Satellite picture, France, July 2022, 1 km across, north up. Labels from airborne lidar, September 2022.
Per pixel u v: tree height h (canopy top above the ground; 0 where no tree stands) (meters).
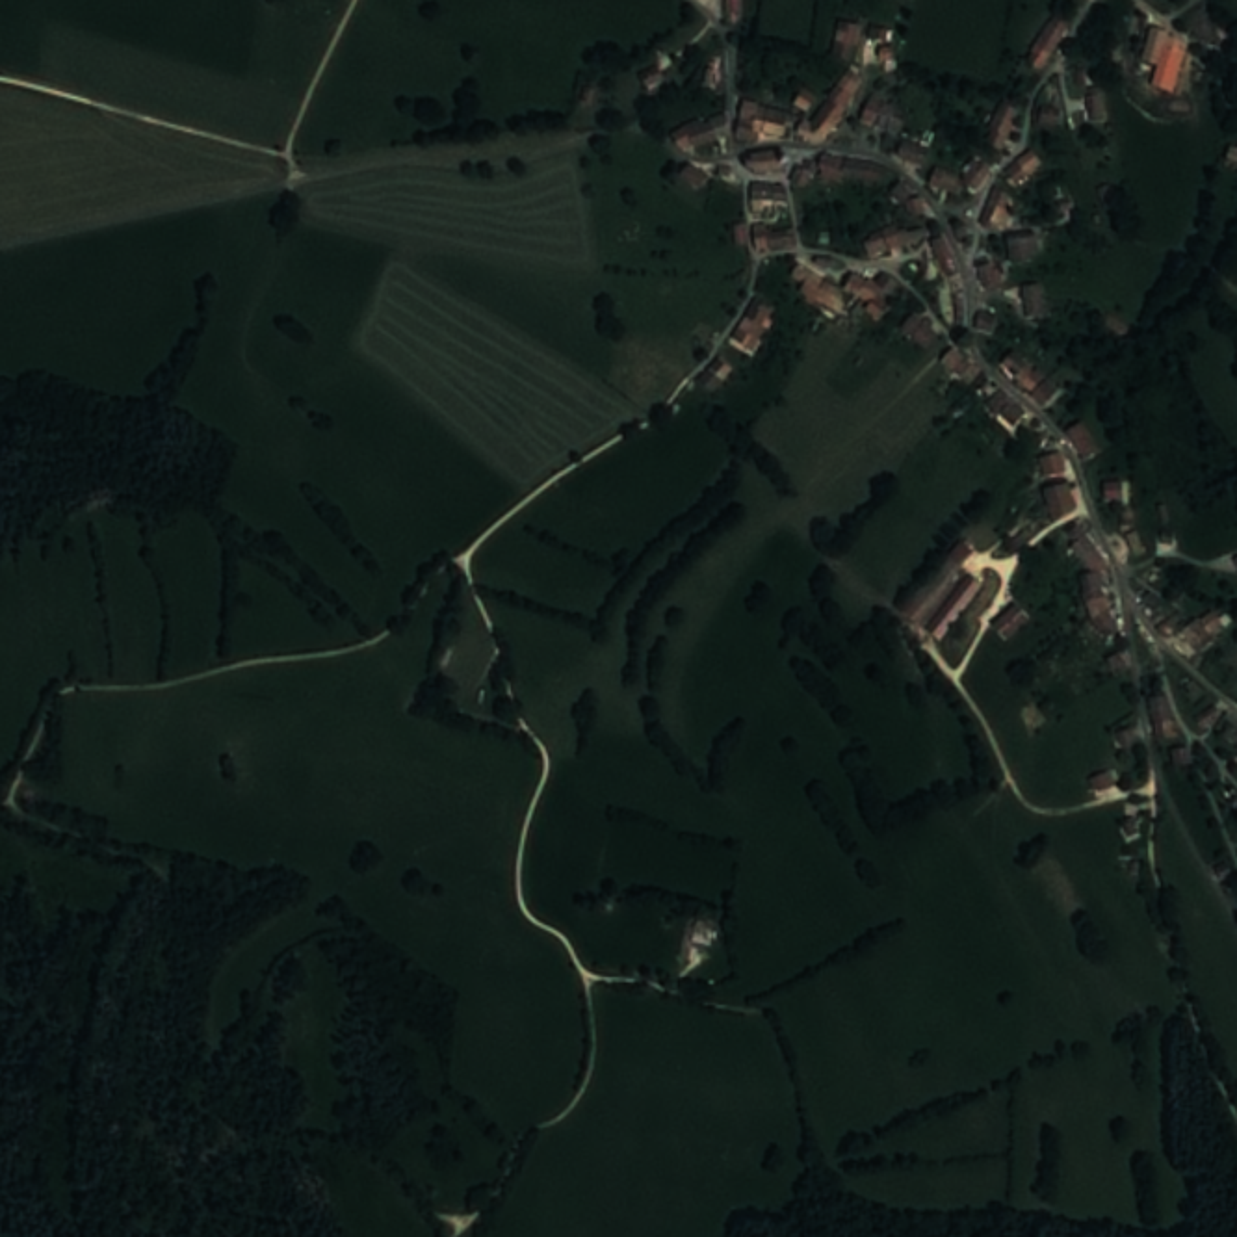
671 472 0
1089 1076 0
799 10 0
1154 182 0
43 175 0
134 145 0
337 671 0
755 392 0
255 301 0
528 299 0
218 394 0
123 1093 21
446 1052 8
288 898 17
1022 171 0
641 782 0
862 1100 0
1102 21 18
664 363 0
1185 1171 23
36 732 9
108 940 11
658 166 0
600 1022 0
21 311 0
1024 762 0
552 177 0
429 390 0
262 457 0
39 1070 28
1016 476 0
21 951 15
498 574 0
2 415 13
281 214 17
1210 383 0
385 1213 0
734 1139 0
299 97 0
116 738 0
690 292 0
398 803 0
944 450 0
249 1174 27
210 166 0
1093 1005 0
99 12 0
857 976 0
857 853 14
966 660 0
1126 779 6
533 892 0
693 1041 0
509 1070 0
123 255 0
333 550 0
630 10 0
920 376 0
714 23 0
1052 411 7
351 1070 26
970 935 0
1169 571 9
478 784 0
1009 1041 0
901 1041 0
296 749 0
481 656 0
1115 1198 0
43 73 0
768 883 0
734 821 0
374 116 0
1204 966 0
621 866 0
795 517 0
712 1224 0
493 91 0
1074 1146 0
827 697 22
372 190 0
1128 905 0
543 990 0
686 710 0
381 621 0
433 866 0
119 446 16
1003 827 0
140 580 0
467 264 0
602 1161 0
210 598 0
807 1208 17
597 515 0
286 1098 18
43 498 16
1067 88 0
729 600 0
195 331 6
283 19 0
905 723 0
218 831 0
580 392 0
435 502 0
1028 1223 14
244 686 0
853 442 0
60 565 0
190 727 0
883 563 0
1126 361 22
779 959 0
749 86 7
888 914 0
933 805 21
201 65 0
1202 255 22
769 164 0
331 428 17
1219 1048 15
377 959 8
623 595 10
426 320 0
